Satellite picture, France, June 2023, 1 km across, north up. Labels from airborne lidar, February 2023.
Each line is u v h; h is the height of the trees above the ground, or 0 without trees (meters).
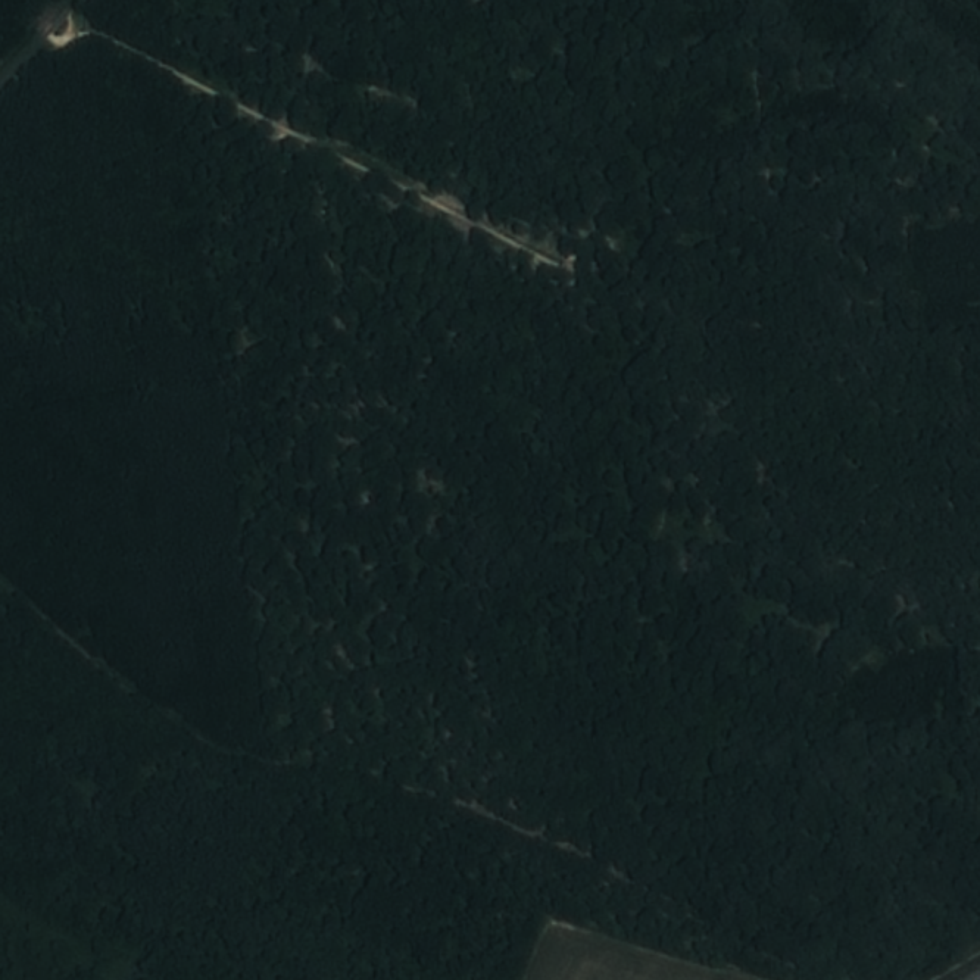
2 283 12
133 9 14
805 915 26
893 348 22
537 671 23
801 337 25
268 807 18
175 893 17
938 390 24
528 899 20
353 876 22
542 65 23
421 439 24
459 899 22
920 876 25
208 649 9
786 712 23
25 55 0
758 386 25
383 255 22
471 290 24
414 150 11
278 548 23
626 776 21
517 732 25
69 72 13
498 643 31
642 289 23
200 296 15
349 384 22
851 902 22
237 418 11
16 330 16
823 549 26
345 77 21
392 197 22
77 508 14
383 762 22
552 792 23
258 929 19
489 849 22
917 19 29
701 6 25
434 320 21
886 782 26
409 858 21
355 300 25
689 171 22
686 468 26
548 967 0
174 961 16
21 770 22
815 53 27
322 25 29
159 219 14
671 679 22
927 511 25
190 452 16
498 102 19
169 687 11
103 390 11
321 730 25
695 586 24
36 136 15
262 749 12
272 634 23
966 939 20
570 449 20
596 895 25
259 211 25
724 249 22
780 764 27
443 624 15
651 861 26
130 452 13
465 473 25
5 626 19
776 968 18
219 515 15
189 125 16
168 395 18
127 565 10
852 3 11
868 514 23
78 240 16
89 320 16
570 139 20
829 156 24
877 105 23
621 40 23
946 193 23
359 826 21
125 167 16
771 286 27
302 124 28
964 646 27
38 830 25
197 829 18
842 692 26
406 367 25
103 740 15
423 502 24
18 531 10
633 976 0
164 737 21
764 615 0
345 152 0
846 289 25
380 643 24
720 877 22
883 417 18
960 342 24
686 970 0
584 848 22
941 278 12
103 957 7
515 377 26
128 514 12
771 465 22
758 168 25
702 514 23
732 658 26
